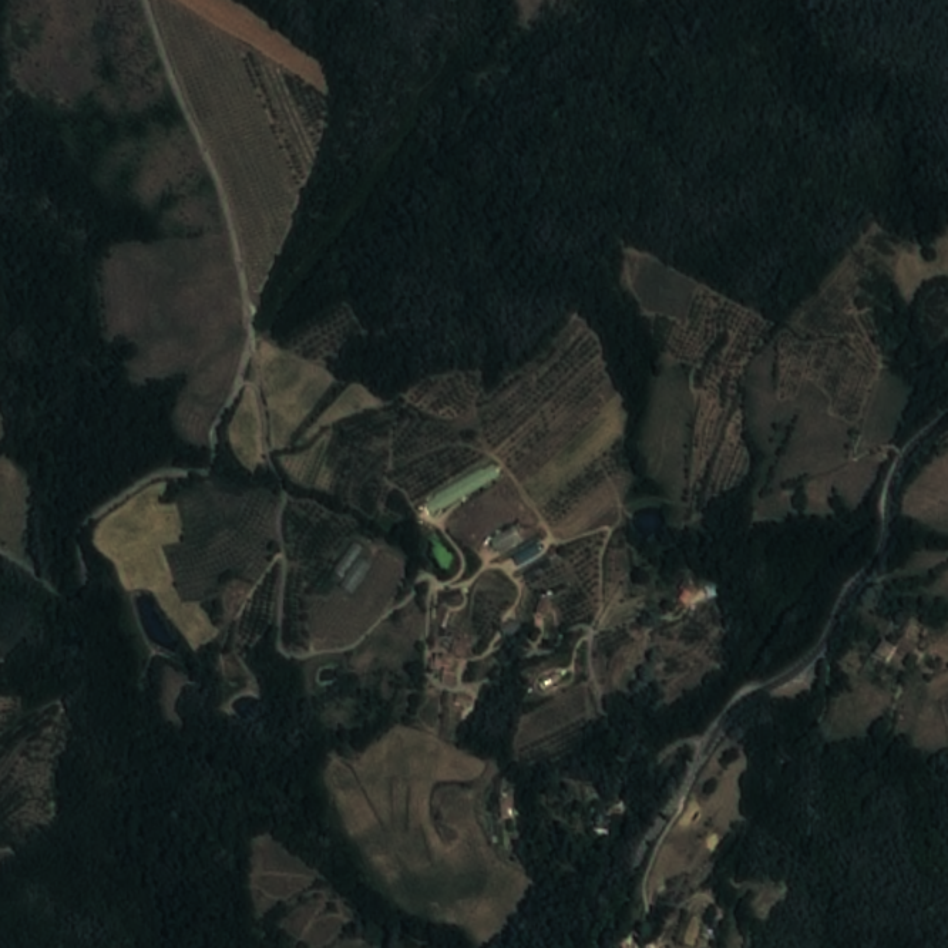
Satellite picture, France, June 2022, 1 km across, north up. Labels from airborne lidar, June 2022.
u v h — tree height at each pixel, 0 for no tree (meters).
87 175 8
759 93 13
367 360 15
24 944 15
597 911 24
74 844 13
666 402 0
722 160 12
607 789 23
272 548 12
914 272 0
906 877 18
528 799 20
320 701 8
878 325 7
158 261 0
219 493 0
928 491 0
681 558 19
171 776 17
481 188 15
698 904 0
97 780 15
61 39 0
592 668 0
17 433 20
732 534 18
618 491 0
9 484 0
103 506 10
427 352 17
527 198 17
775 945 8
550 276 17
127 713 21
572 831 7
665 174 18
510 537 0
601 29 17
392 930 22
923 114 13
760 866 14
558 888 14
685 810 0
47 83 0
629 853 23
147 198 0
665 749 7
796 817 19
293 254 8
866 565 13
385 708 7
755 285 6
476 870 0
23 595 12
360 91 8
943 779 16
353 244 23
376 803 0
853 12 11
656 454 0
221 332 0
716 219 16
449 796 0
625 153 17
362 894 21
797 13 20
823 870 22
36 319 30
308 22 12
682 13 15
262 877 0
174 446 18
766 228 18
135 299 0
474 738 8
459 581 0
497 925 0
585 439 0
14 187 12
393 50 19
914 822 18
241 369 0
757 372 0
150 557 0
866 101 11
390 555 0
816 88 29
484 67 15
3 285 15
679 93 18
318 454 0
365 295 17
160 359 0
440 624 0
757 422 0
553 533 0
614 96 15
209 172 0
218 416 0
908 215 22
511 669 6
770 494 7
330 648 0
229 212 0
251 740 13
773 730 14
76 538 9
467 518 0
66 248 8
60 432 22
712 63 20
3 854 0
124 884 22
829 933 22
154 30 0
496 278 16
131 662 14
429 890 0
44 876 13
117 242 10
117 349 8
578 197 18
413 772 0
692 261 14
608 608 0
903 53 10
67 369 19
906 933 14
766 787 17
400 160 15
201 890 23
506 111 23
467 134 13
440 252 10
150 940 9
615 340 19
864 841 18
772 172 16
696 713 10
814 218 16
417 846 0
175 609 0
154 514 0
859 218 15
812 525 16
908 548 20
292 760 11
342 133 13
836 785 19
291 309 20
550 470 0
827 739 17
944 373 17
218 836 11
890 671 6
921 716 0
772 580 10
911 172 20
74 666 11
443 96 24
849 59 9
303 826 16
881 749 17
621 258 8
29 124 16
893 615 11
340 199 17
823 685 15
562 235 13
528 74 19
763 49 17
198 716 11
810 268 17
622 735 15
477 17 16
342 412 0
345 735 12
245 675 0
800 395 0
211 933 16
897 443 7
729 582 16
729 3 15
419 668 14
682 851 0
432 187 20
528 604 0
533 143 18
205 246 0
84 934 17
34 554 24
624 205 14
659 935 8
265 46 0
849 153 14
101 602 18
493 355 14
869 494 6
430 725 0
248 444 0
